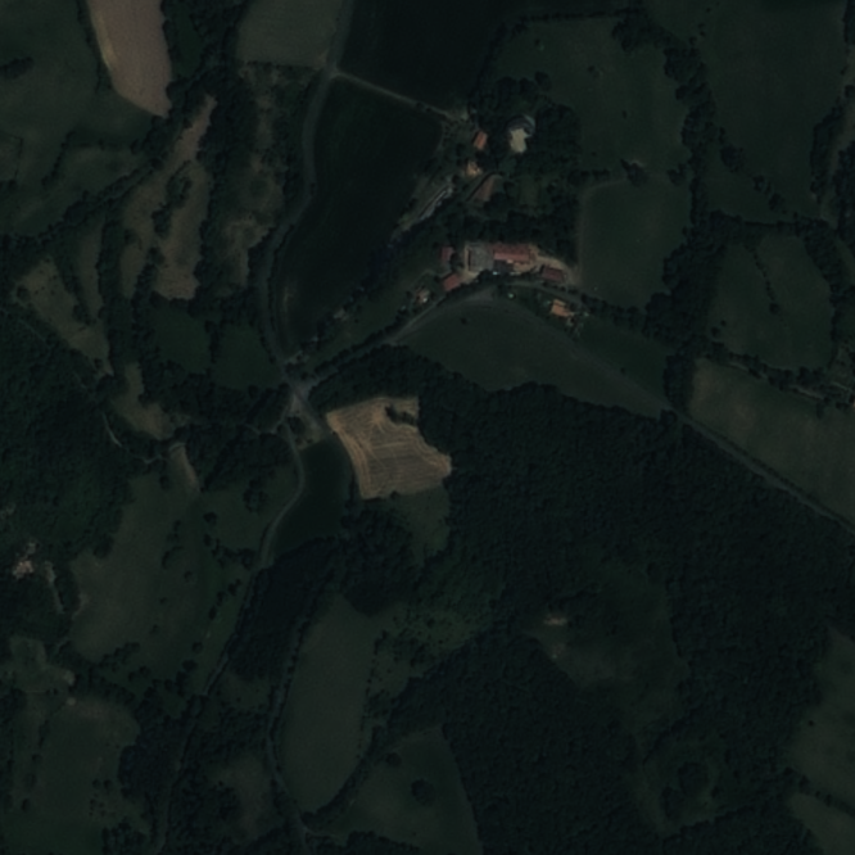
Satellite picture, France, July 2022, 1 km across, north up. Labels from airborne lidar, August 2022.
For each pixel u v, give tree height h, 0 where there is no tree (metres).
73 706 0
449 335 0
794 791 6
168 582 0
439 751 0
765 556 20
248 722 6
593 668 0
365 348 10
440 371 17
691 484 23
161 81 0
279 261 8
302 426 12
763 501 21
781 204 19
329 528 0
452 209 20
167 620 0
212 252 14
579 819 18
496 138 17
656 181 0
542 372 0
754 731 22
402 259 29
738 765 20
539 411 16
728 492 25
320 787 0
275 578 21
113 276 19
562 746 19
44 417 22
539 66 0
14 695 16
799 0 0
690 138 18
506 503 22
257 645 16
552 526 22
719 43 0
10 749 7
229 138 17
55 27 0
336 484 0
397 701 7
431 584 15
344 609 0
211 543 19
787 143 0
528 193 0
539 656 19
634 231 0
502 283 10
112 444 14
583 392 0
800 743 0
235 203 0
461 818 0
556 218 15
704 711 21
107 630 0
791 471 0
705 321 8
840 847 0
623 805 17
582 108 0
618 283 0
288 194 13
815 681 17
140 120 0
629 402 0
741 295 0
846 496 0
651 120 0
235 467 20
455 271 10
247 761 0
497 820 18
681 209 0
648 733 6
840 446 0
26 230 0
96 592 0
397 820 0
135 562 0
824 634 19
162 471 12
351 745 0
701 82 12
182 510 0
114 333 14
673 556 9
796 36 0
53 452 18
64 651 9
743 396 0
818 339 0
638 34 15
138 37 0
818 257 15
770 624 27
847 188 16
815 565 22
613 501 18
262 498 15
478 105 14
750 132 0
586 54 0
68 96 0
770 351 0
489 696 20
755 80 0
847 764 0
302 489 0
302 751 0
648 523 15
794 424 0
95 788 8
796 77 0
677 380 23
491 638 14
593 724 18
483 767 19
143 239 0
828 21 0
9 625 13
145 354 19
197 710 18
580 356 0
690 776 18
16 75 8
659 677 0
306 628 13
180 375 22
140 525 0
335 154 0
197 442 28
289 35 0
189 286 0
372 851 22
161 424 0
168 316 0
